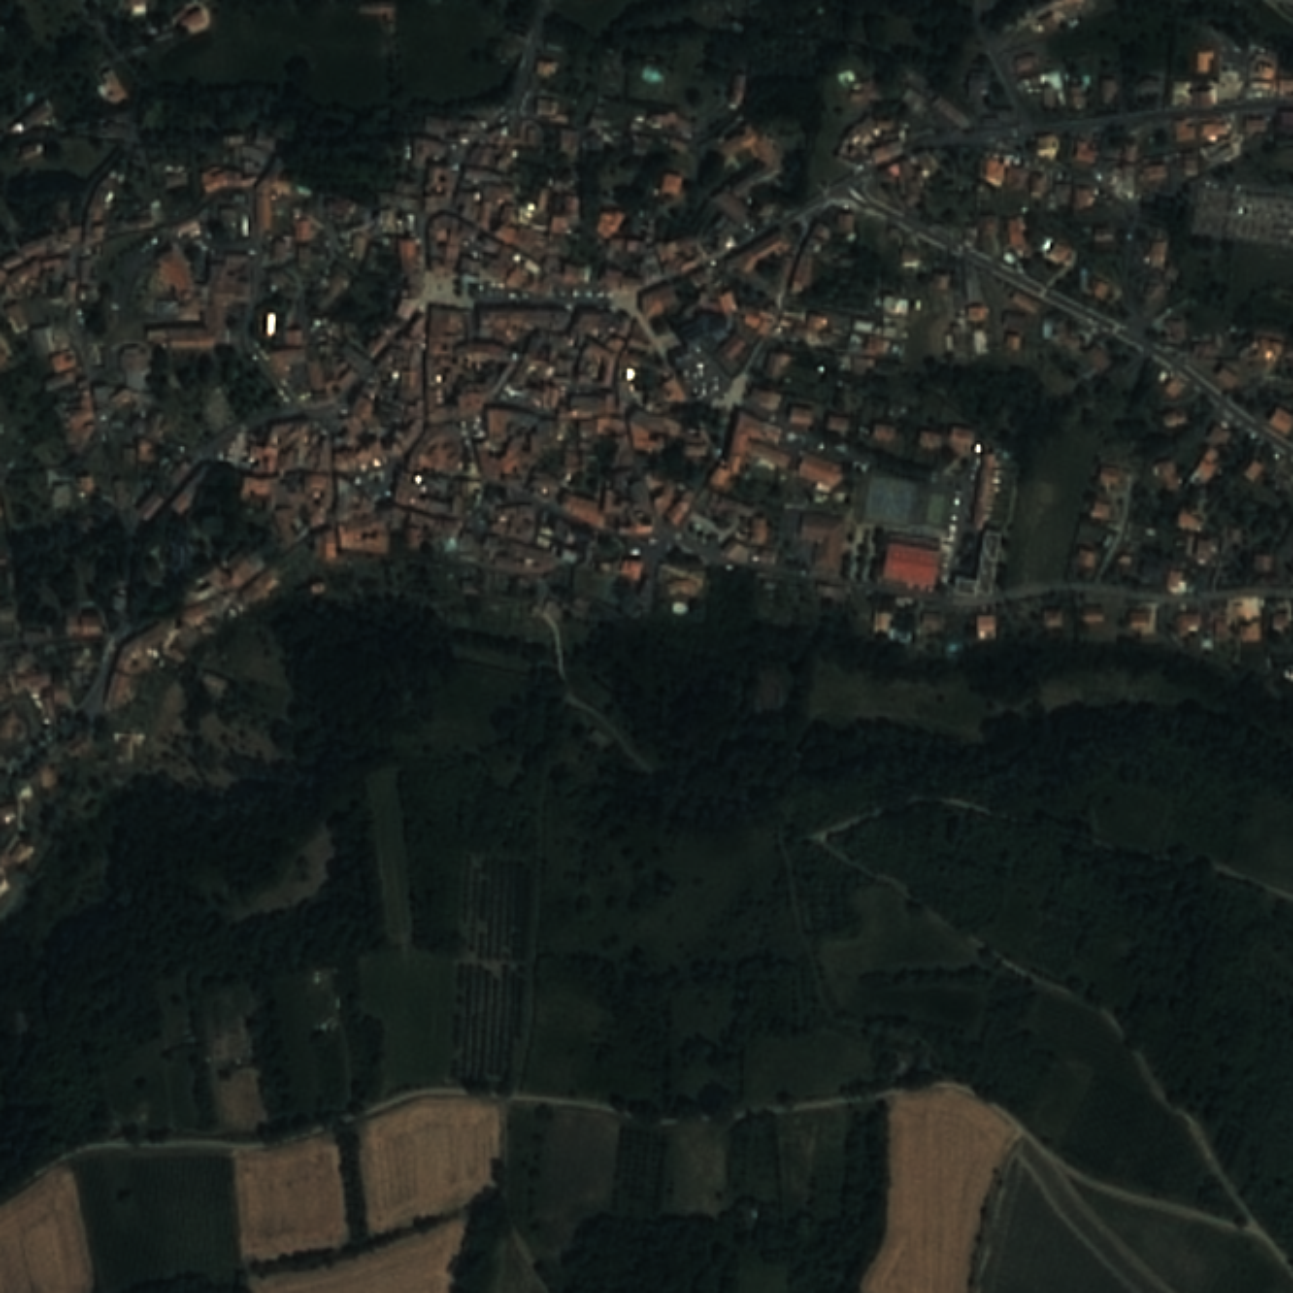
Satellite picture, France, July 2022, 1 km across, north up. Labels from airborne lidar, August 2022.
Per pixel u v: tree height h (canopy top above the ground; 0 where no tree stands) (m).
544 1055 0
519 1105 0
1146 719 22
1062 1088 0
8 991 32
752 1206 9
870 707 0
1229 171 7
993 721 10
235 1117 0
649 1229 9
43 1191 0
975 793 10
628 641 14
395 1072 0
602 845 8
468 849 6
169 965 12
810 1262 9
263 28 0
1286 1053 8
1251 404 6
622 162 6
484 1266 9
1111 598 0
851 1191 11
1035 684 18
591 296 0
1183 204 7
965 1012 0
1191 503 9
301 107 12
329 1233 0
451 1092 0
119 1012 14
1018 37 0
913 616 10
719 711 27
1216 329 0
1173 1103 11
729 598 10
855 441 5
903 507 0
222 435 0
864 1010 0
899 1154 0
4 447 0
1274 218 0
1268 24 0
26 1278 0
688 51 0
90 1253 0
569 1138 0
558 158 9
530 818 7
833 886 7
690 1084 0
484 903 7
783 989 11
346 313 11
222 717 8
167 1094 0
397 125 8
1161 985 9
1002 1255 0
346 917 11
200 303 0
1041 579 0
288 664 13
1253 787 10
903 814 14
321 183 10
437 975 0
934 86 12
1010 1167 0
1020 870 9
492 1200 17
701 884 6
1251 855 0
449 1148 0
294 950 16
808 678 15
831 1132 0
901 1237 0
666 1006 6
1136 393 10
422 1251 0
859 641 9
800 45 6
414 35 0
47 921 8
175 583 23
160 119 6
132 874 15
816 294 12
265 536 17
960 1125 0
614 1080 0
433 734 0
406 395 0
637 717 21
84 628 0
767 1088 0
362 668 21
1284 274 0
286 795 25
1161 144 13
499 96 11
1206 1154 0
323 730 20
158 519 11
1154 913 17
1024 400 7
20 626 7
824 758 21
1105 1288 0
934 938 0
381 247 10
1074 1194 0
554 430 0
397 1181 0
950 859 8
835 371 12
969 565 6
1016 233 0
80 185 21
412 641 20
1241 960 8
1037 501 0
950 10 20
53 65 6
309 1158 0
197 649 11
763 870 0
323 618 22
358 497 0
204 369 10
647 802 14
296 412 0
